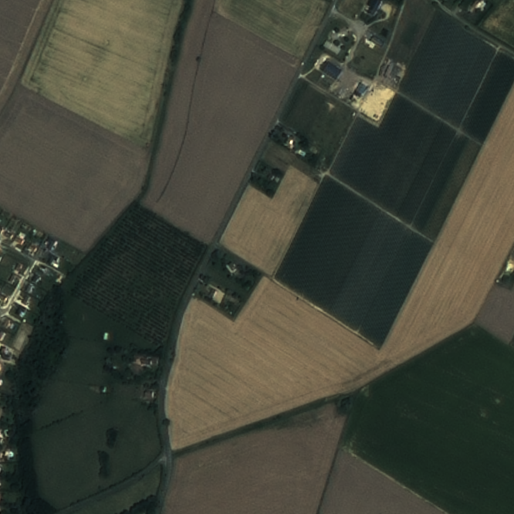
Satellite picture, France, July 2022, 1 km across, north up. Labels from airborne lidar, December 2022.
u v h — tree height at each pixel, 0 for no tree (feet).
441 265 0
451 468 0
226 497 0
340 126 0
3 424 35
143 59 0
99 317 0
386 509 0
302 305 0
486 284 0
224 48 0
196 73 0
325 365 0
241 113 0
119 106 0
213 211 0
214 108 0
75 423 0
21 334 0
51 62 0
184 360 0
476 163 0
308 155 30
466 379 0
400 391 0
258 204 0
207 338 0
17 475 36
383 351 0
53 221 0
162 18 0
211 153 0
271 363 0
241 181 0
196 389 0
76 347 0
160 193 0
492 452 0
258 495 0
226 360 0
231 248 0
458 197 0
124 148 0
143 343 0
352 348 0
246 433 0
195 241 20
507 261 0
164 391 0
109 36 0
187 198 0
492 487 0
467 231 0
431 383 0
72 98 0
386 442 0
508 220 0
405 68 0
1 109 0
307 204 0
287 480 0
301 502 0
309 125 0
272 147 0
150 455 0
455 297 0
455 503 0
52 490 0
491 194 0
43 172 0
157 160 0
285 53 0
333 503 0
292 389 0
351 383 0
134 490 0
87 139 0
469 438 0
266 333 0
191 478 0
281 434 0
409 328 0
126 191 0
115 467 0
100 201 0
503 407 0
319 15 0
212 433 0
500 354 0
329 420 0
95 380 0
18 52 0
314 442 0
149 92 0
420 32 0
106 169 0
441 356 0
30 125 0
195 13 0
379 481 0
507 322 0
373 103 0
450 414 0
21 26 0
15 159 0
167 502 0
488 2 31
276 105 0
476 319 0
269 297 0
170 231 24
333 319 0
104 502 0
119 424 0
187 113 0
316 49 0
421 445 0
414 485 0
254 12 0
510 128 0
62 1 0
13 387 24
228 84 0
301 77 0
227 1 0
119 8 0
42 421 0
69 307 0
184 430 0
